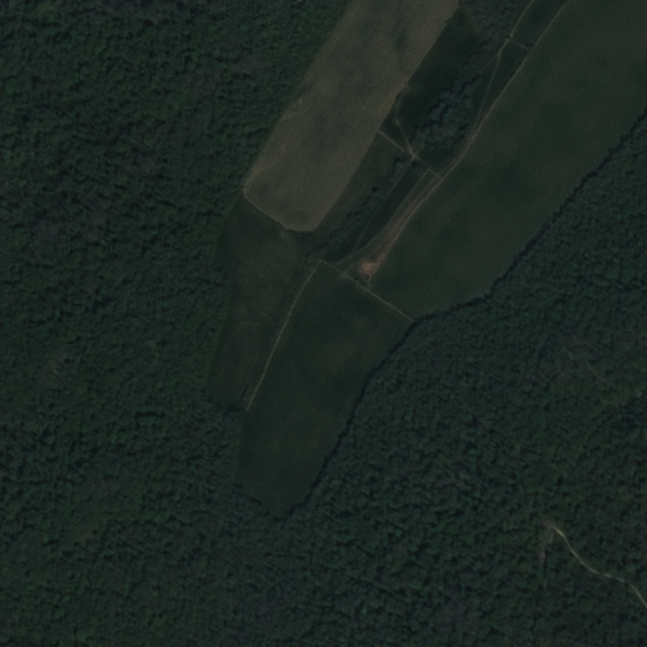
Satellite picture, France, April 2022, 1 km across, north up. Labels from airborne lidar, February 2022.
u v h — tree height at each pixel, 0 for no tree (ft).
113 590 81
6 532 81
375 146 0
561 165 0
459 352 66
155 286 93
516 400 77
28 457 109
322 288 0
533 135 0
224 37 55
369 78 0
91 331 89
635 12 0
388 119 0
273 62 72
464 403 75
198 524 77
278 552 85
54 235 104
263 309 0
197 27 64
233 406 0
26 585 89
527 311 71
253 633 79
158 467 84
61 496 50
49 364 81
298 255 0
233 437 65
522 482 69
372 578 58
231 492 67
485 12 90
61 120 59
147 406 88
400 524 87
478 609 93
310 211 0
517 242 0
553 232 63
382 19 0
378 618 74
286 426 0
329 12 49
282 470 0
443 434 70
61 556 79
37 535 82
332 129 0
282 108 63
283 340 0
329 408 0
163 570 100
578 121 0
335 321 0
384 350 0
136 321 77
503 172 0
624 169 63
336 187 0
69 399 83
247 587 82
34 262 95
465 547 59
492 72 0
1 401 81
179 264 82
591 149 0
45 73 75
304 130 0
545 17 0
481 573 81
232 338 0
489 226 0
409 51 0
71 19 97
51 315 95
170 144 82
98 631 83
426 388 72
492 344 65
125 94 66
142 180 103
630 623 77
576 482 64
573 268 73
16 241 87
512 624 73
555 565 61
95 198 101
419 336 61
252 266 0
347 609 85
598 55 0
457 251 0
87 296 80
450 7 0
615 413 0
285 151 0
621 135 0
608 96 0
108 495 102
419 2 0
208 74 85
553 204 0
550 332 75
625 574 68
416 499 80
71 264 80
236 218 0
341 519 59
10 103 83
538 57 0
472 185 0
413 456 86
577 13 0
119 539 60
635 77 0
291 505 0
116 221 100
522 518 80
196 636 76
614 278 74
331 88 0
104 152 93
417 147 62
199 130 80
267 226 0
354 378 0
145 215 91
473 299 0
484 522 68
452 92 70
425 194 0
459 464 93
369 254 0
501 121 0
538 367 81
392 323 0
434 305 0
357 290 0
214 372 0
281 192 0
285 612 85
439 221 0
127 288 93
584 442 63
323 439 0
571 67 0
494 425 83
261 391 0
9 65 66
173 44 83
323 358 0
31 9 63
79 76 83
